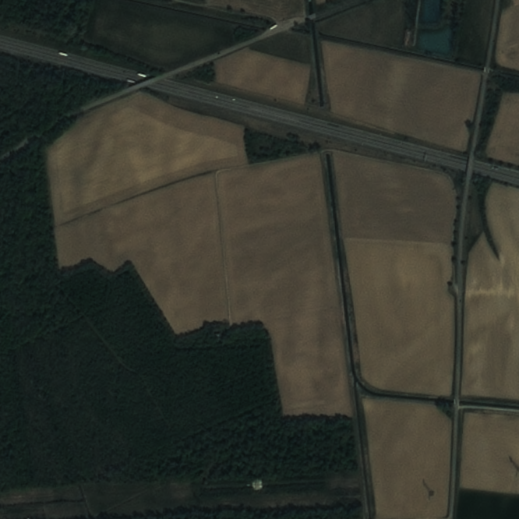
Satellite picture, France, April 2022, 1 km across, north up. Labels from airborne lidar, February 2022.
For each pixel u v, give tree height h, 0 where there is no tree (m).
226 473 19
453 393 0
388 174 0
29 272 19
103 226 0
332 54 0
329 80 0
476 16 0
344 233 0
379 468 0
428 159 0
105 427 16
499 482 0
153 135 0
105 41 0
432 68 0
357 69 0
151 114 0
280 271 0
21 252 23
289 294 0
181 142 0
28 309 15
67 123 17
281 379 0
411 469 0
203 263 0
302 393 0
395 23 0
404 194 0
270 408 12
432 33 0
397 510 0
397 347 0
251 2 0
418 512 0
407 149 0
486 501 0
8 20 13
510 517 0
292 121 0
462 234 0
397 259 0
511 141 0
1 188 21
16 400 13
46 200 11
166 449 13
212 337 10
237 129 0
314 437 8
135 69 0
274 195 0
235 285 0
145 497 0
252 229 0
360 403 0
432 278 0
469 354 0
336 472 9
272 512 15
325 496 0
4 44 0
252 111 0
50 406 17
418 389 0
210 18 0
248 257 0
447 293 0
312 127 0
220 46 0
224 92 0
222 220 0
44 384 17
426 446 0
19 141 18
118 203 0
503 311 0
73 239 0
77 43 16
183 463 12
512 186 0
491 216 0
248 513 12
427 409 0
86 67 0
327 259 0
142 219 0
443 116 0
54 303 10
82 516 0
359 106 0
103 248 0
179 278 0
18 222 24
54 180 0
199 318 0
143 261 0
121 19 0
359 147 0
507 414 0
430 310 0
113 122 0
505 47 0
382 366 0
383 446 0
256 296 0
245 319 0
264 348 10
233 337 12
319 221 0
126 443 14
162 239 0
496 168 0
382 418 0
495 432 0
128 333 8
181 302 0
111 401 9
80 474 13
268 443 12
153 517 15
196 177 0
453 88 0
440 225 0
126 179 0
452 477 0
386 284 0
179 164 0
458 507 0
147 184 0
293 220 0
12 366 13
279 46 0
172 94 0
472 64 0
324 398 0
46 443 12
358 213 0
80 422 10
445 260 0
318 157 0
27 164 18
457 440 0
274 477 19
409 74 0
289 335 0
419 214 0
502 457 0
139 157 0
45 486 8
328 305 0
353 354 0
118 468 20
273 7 0
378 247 0
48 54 0
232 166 0
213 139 0
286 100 0
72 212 0
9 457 17
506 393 0
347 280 0
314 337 0
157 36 0
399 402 0
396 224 0
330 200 0
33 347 16
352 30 0
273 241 0
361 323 0
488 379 0
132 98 0
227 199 0
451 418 0
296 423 11
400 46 0
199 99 0
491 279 0
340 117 0
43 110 15
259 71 0
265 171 0
